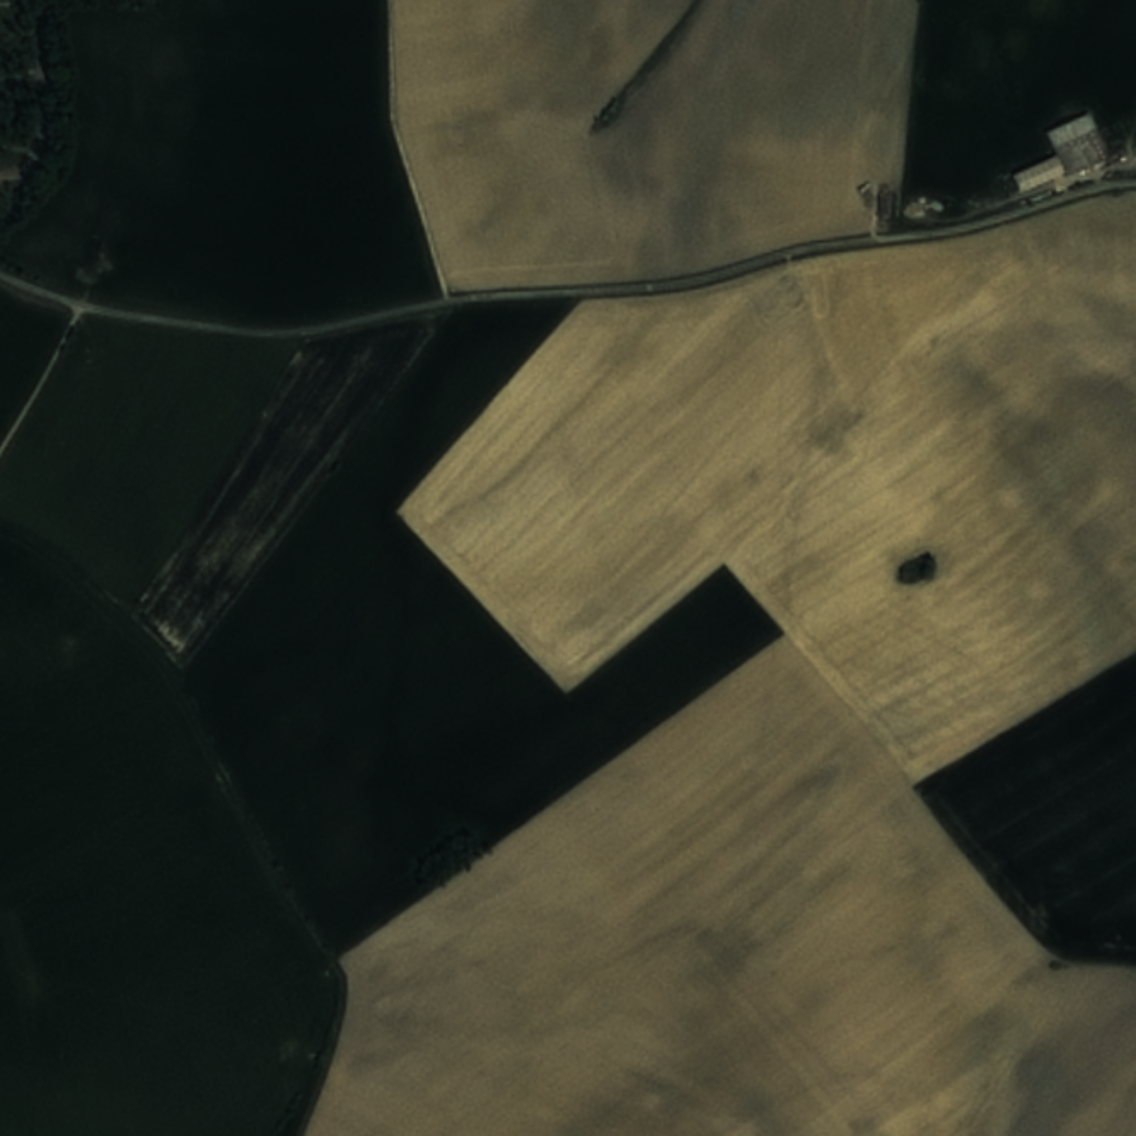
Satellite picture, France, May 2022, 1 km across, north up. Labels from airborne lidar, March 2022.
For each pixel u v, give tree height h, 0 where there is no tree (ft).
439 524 0
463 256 0
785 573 0
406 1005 0
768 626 0
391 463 0
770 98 0
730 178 0
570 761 0
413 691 0
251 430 0
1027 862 0
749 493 0
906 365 0
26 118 55
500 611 0
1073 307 0
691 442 0
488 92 0
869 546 0
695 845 0
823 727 0
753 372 0
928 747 0
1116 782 0
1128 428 0
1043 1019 0
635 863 0
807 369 0
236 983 0
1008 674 0
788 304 0
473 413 0
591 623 0
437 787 0
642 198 0
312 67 0
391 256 0
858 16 0
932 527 0
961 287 0
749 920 0
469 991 0
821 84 0
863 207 0
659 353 0
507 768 0
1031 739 0
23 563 0
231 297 0
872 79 0
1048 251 0
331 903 0
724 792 0
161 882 0
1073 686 0
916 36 0
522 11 0
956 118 0
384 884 0
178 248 0
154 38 0
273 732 0
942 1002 0
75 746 0
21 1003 0
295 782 0
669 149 0
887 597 0
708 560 0
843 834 0
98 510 0
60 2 72
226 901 0
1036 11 0
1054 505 0
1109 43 0
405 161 0
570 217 0
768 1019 0
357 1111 0
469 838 38
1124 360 0
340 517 0
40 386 0
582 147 0
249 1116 0
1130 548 0
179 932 0
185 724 0
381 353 0
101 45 0
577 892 0
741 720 0
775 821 0
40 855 0
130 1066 0
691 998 0
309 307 0
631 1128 0
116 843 0
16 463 0
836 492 0
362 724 0
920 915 0
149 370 0
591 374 0
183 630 0
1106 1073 0
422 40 0
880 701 0
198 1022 0
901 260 0
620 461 0
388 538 0
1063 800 0
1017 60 0
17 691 0
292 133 0
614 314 0
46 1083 0
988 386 0
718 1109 0
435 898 0
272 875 0
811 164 0
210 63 0
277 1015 0
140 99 0
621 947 0
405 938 0
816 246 0
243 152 0
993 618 0
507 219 0
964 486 0
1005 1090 0
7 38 0
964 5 0
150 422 0
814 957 0
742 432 0
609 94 0
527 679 0
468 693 0
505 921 0
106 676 0
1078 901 0
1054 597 0
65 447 0
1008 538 0
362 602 0
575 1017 0
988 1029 0
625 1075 0
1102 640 0
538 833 0
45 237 0
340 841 0
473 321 0
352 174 0
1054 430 0
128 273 0
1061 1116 0
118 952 0
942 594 0
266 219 0
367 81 0
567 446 0
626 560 0
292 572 0
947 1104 0
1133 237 0
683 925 0
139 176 0
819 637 0
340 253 0
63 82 71
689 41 0
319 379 0
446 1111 0
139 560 0
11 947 0
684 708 0
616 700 0
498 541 0
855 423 0
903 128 0
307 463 0
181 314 0
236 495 0
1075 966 0
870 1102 0
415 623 0
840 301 0
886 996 0
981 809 0
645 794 0
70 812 0
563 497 0
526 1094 0
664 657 0
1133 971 0
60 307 0
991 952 0
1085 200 0
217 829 0
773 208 0
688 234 0
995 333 0
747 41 0
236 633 0
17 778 0
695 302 0
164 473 0
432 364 0
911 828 0
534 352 0
